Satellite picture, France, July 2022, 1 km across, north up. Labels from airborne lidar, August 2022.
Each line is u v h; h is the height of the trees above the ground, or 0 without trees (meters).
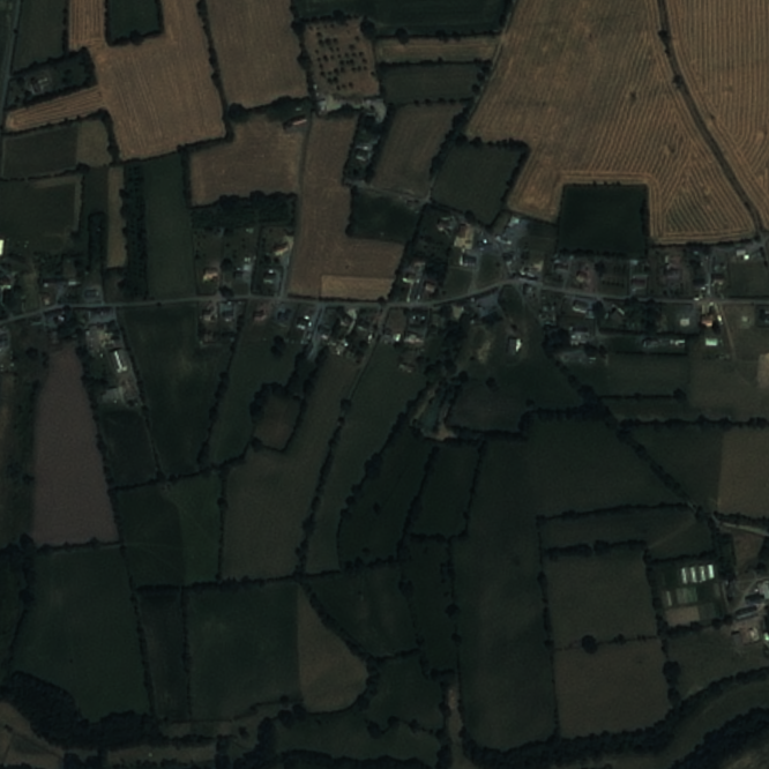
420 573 0
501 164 0
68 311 12
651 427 8
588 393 18
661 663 0
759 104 0
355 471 0
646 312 8
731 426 12
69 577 0
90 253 7
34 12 0
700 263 6
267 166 0
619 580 0
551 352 13
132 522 0
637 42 0
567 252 10
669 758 0
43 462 0
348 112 13
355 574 14
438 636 0
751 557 0
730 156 0
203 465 12
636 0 0
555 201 0
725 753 18
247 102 0
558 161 0
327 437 0
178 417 0
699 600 0
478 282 0
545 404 0
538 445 0
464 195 0
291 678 0
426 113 0
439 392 9
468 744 12
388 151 0
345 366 0
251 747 0
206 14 11
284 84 0
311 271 0
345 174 7
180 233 0
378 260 0
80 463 0
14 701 18
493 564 0
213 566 0
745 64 0
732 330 0
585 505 0
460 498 0
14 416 0
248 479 0
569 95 0
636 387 0
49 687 16
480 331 0
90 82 6
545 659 0
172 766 10
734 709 0
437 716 0
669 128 0
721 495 0
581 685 0
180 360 0
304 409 10
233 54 0
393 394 0
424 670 14
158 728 7
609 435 0
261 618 0
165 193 0
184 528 0
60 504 0
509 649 0
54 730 23
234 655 0
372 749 0
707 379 0
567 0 0
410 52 0
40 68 8
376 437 0
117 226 0
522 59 0
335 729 0
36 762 0
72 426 0
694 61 0
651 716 0
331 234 0
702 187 0
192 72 0
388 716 0
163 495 0
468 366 0
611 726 0
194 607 0
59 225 0
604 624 0
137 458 0
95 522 0
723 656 0
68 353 0
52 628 0
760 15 0
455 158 0
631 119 0
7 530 0
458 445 12
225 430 0
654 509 5
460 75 0
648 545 6
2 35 0
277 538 0
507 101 0
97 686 0
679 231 0
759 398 0
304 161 0
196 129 0
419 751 0
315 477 0
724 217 0
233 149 0
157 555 0
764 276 0
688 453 0
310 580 11
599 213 0
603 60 0
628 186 0
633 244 0
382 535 0
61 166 0
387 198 0
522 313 0
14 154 0
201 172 0
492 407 0
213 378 0
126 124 0
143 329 0
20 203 0
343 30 0
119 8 0
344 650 0
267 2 0
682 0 0
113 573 0
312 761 14
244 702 0
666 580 0
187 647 11
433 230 0
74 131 0
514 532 0
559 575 0
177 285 0
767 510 0
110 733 18
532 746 12
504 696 0
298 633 0
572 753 16
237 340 6
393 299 9
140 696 0
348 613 0
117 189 0
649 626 0
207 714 0
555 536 0
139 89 0
